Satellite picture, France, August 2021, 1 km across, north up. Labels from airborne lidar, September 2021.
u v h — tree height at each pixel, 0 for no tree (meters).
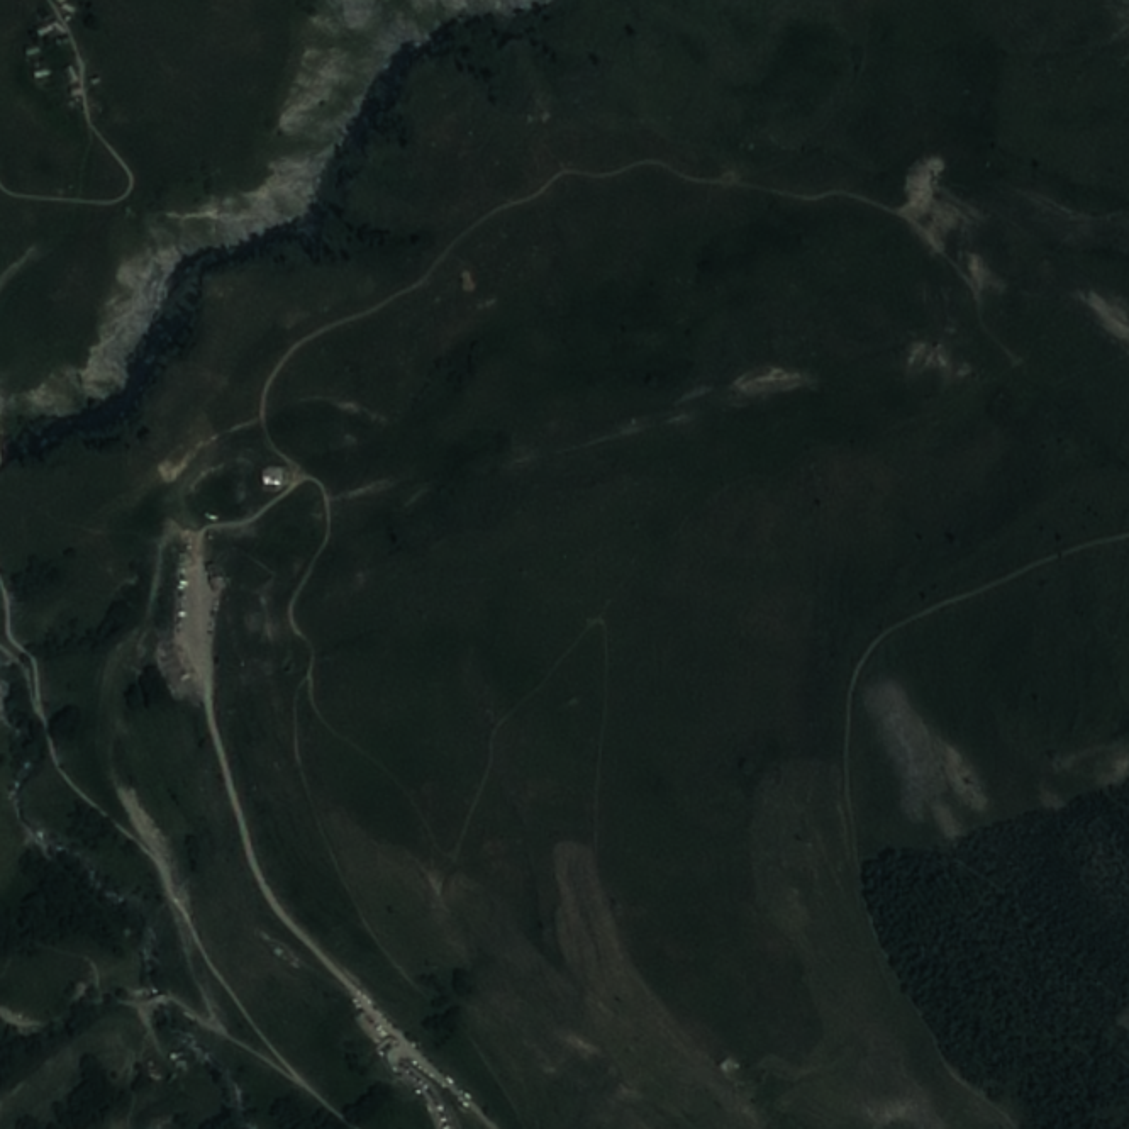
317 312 0
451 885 0
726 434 0
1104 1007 8
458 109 0
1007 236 0
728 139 0
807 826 0
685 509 0
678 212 0
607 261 0
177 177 0
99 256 0
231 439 0
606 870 0
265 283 0
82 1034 8
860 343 0
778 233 0
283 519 0
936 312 0
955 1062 8
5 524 0
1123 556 0
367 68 0
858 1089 0
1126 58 0
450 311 0
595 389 0
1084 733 0
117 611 10
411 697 0
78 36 0
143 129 0
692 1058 0
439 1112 0
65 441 17
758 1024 0
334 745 0
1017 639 0
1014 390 0
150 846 0
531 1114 0
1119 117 0
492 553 0
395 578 0
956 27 0
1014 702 0
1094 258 0
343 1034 0
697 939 0
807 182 0
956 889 12
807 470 0
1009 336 0
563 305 0
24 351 0
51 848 6
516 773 0
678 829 0
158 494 0
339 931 0
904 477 0
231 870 0
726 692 0
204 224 0
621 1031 0
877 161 0
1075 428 0
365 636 0
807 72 0
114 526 0
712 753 0
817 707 0
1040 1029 9
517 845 0
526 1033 0
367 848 0
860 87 0
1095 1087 9
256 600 0
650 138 0
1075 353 0
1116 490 0
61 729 12
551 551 0
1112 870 10
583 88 0
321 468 0
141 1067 10
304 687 0
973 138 0
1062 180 0
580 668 0
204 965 0
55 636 6
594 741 0
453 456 0
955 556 0
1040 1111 8
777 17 0
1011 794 0
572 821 0
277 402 0
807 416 0
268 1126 0
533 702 0
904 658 0
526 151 0
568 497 0
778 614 0
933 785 0
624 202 0
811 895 0
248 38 0
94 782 0
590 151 0
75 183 0
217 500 0
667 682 0
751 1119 0
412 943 0
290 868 0
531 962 0
